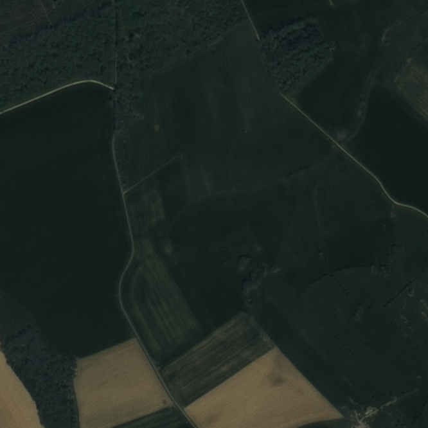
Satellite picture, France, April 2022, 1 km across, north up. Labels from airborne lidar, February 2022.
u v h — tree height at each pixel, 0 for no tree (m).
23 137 0
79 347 0
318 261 0
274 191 0
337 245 0
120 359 0
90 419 0
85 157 0
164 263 0
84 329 0
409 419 0
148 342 0
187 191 0
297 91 18
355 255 0
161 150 0
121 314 0
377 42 0
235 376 0
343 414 0
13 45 13
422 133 0
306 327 0
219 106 0
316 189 0
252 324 0
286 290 0
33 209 0
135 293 0
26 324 0
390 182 0
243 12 6
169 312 0
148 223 0
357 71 0
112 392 0
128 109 25
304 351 0
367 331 0
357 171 0
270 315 0
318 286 0
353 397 0
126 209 0
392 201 0
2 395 0
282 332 0
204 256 0
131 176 0
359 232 0
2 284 0
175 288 0
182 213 0
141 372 0
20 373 9
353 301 0
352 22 0
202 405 0
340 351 0
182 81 0
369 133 0
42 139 0
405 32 0
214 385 0
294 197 0
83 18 26
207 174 0
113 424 0
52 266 0
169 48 0
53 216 0
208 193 0
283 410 0
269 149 0
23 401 0
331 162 0
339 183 0
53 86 17
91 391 0
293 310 0
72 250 0
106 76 27
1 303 0
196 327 0
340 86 0
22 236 0
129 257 0
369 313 0
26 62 33
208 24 9
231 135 0
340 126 0
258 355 0
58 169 0
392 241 0
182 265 0
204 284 0
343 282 0
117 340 0
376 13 0
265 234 0
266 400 0
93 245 0
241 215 0
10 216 0
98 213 0
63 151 0
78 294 0
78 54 31
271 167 0
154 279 0
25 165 0
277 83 22
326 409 0
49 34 28
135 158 0
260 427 0
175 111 0
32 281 0
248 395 0
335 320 0
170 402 0
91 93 0
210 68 0
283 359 0
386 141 0
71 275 0
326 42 19
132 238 0
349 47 0
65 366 19
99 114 0
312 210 0
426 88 0
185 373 0
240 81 0
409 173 0
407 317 0
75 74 25
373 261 0
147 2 24
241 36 0
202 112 0
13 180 0
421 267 0
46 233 0
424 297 0
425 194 0
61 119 0
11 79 34
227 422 0
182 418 0
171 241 0
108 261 0
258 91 0
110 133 0
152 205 0
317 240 0
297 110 0
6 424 0
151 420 0
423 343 0
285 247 0
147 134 0
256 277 9
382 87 0
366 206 0
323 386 0
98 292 0
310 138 0
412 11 0
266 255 0
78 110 0
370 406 0
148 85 0
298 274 0
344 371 0
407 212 0
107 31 26
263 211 0
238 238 0
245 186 0
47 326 0
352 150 0
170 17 19
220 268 0
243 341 0
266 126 0
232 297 0
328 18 0
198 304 0
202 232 0
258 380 0
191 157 0
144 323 0
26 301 0
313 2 0
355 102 0
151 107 0
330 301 0
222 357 0
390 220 0
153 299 0
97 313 0
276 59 16
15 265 0
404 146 0
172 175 0
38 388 23
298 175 0
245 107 0
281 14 0
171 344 0
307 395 0
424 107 0
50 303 0
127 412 0
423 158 0
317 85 0
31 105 0
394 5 0
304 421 0
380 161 0
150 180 0
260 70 0
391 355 0
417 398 0
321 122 0
